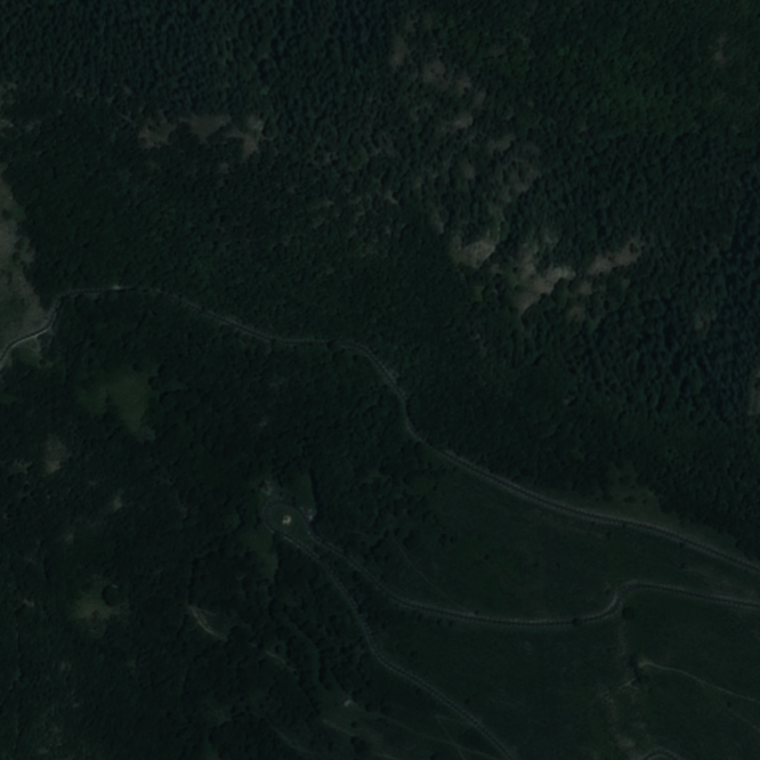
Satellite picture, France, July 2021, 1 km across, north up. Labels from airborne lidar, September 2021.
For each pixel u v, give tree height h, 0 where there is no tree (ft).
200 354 69
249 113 59
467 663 0
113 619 28
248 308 48
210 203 63
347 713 0
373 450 59
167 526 56
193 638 67
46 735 24
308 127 48
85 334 39
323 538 64
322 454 81
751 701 0
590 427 48
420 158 77
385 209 44
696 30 36
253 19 122
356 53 48
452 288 47
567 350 42
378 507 51
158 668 75
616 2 89
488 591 0
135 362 76
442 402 59
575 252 82
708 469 51
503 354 80
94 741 44
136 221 55
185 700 75
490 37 29
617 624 0
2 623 75
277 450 80
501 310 68
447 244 34
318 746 24
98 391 0
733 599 0
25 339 0
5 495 80
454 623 31
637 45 74
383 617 54
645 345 105
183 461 71
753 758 0
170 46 64
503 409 66
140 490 47
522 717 0
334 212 55
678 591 0
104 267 67
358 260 41
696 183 53
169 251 37
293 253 45
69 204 66
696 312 36
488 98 46
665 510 34
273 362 51
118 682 67
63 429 58
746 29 85
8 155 34
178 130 30
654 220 39
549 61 97
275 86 82
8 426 64
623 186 119
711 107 48
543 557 0
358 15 91
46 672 40
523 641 0
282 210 56
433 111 19
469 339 54
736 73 51
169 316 83
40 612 53
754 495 59
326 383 50
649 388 105
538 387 72
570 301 70
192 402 72
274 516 0
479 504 0
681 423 85
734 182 30
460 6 70
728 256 101
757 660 0
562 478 41
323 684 51
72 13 98
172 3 71
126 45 65
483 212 65
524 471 50
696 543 0
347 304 58
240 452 45
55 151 58
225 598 51
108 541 23
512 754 0
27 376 33
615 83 56
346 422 56
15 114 51
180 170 54
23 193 67
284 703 26
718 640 0
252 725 73
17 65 86
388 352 35
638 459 28
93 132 61
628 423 81
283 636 80
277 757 52
